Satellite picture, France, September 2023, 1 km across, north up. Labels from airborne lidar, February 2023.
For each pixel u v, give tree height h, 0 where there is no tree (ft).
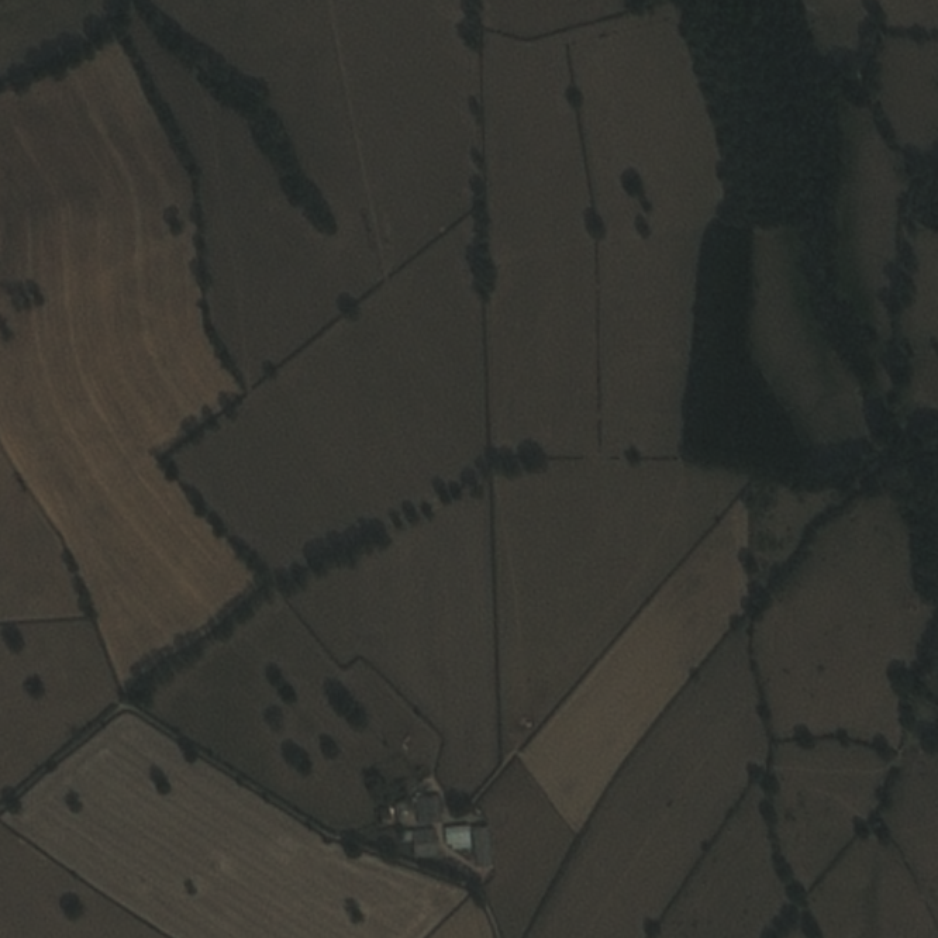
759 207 71
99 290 0
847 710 0
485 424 0
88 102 0
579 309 0
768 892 0
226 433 0
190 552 0
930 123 0
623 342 0
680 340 0
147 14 63
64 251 0
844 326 118
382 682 0
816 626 0
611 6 0
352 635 0
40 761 0
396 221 0
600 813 0
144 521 0
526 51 0
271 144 68
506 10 0
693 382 49
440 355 0
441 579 0
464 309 0
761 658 0
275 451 0
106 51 0
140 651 0
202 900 0
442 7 0
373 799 0
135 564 0
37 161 0
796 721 0
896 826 0
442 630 0
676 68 0
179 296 0
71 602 0
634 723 0
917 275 0
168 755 0
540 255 0
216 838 0
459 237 0
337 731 0
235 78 52
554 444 0
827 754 0
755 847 0
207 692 0
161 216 0
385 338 0
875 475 25
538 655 0
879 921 0
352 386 0
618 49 0
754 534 0
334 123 0
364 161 0
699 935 0
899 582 0
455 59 0
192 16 0
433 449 0
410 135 0
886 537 0
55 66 57
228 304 0
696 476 0
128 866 0
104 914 0
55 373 0
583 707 0
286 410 0
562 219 0
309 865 0
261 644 0
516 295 0
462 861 0
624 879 0
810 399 0
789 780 0
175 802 0
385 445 0
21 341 0
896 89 0
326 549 51
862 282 0
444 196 0
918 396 0
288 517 0
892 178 0
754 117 88
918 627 0
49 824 0
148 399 0
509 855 0
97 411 0
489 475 42
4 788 0
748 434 77
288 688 27
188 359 0
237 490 0
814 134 98
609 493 0
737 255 63
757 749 0
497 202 0
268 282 0
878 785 0
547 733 0
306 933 0
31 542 0
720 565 0
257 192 0
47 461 0
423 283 0
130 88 0
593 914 0
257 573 62
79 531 0
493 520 0
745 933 0
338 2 0
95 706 0
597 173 0
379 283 0
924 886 0
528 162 0
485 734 0
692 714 0
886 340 0
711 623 0
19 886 0
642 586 0
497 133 0
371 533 54
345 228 0
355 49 0
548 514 0
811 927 72
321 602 0
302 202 49
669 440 0
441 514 0
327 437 0
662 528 0
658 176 0
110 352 0
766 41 57
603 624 0
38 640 0
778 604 0
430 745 0
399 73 0
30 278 0
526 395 0
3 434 0
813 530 31
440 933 0
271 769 0
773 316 0
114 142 0
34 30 0
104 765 0
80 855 0
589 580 0
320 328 0
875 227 0
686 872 0
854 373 94
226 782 0
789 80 85
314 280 0
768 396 69
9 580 0
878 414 67
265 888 0
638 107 0
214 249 0
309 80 0
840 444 0
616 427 0
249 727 0
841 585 0
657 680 0
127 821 0
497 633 0
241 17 0
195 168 52
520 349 0
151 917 0
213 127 0
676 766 0
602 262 0
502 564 0
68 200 0
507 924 0
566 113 0
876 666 0
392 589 0
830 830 0
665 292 0
